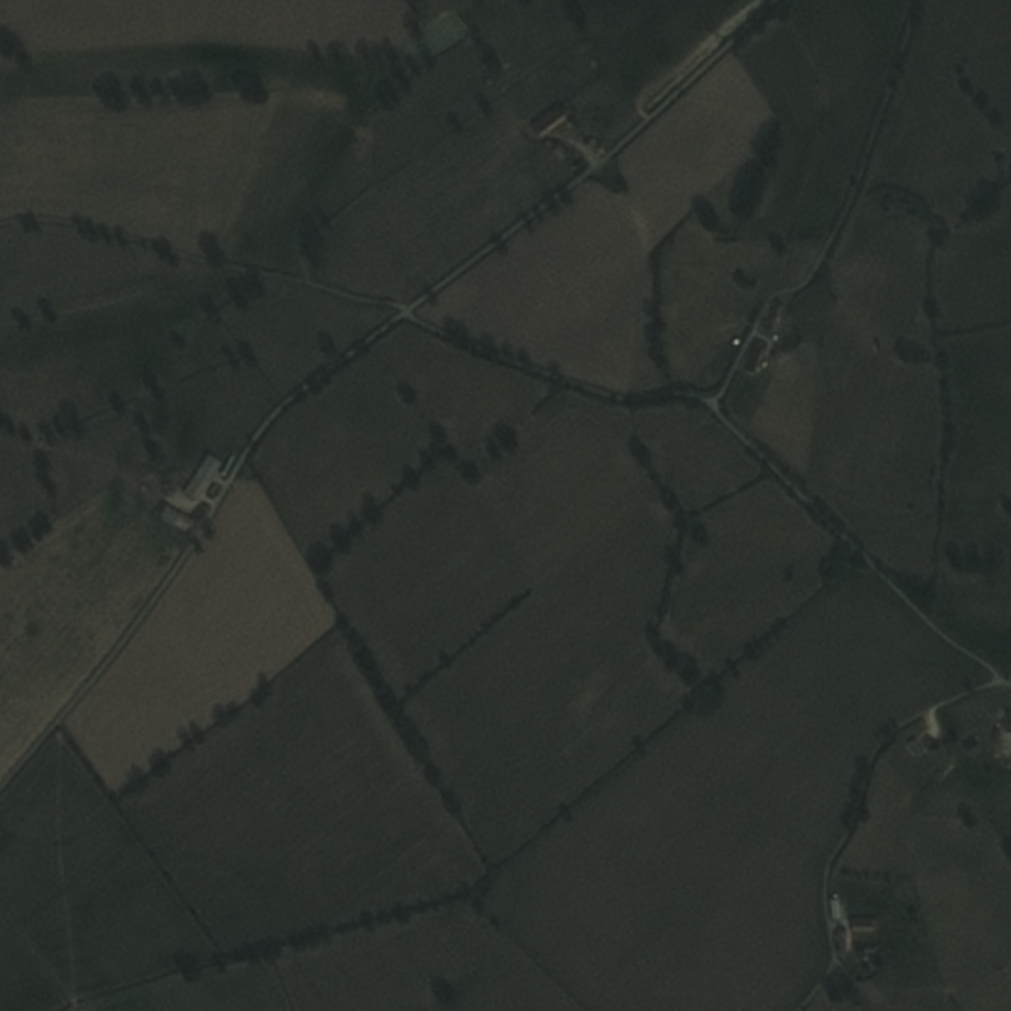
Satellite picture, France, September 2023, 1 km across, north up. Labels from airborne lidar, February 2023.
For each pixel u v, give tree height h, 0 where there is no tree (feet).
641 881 0
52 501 0
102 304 0
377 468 0
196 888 0
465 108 0
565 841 0
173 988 0
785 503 0
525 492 0
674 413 0
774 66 0
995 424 0
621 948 0
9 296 0
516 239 0
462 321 0
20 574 0
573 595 0
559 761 0
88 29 0
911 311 0
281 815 0
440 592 0
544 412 0
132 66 0
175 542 0
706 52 0
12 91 0
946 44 0
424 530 0
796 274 0
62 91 0
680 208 0
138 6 0
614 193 0
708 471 0
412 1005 0
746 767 0
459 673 0
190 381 0
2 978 0
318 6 0
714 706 0
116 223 0
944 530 0
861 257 0
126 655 0
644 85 0
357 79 0
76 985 0
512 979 0
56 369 0
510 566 0
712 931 0
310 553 0
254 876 0
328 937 43
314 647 0
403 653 0
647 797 0
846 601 0
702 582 0
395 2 0
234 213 0
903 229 0
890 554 0
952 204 0
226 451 0
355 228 0
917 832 0
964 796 0
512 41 0
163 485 0
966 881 0
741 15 0
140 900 0
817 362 0
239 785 0
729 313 0
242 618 0
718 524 0
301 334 0
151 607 0
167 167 0
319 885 0
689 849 0
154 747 0
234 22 0
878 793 0
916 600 22
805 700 0
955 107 0
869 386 0
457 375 0
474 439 0
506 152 0
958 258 0
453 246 0
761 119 0
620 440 0
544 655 0
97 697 0
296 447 0
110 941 0
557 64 0
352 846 0
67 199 0
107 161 0
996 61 0
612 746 0
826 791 0
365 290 0
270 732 0
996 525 0
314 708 0
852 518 0
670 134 0
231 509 0
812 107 0
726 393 0
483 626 21
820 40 0
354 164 0
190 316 0
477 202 0
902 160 0
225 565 0
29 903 0
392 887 0
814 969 0
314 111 0
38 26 0
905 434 0
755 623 0
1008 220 0
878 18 0
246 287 49
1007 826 0
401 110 0
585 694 0
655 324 73
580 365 0
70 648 0
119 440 0
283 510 0
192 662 0
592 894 0
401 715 37
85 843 0
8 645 0
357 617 0
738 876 0
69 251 0
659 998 0
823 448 0
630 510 0
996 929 0
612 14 0
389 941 0
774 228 0
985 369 0
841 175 0
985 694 0
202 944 0
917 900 0
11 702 0
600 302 0
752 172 41
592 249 0
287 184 0
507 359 36
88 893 0
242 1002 0
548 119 0
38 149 0
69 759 0
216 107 0
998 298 0
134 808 0
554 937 0
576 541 0
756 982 0
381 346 0
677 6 0
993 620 0
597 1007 0
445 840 0
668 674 0
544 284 0
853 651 0
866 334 0
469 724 0
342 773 0
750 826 0
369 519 45
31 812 0
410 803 0
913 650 0
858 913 0
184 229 0
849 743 0
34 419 0
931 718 0
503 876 0
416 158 0
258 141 0
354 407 0
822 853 0
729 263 0
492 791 0
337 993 0
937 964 0
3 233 0
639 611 0
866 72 0
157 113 0
